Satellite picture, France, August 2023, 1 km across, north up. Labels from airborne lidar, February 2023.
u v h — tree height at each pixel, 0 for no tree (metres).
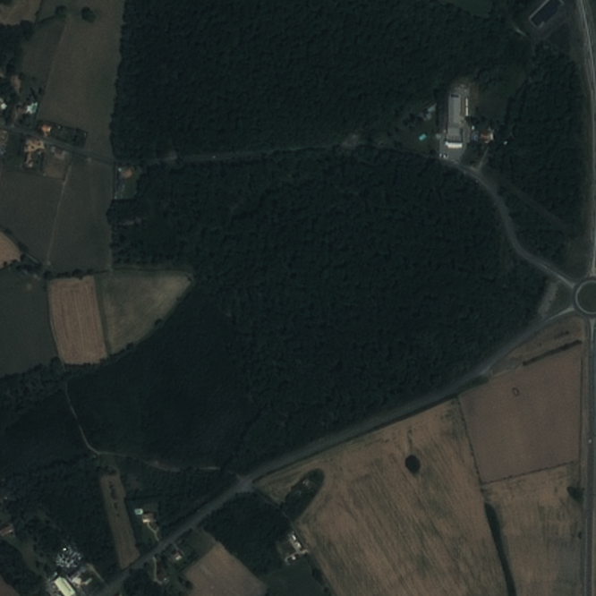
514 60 7
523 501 0
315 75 20
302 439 21
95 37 0
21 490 16
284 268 22
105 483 0
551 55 17
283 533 11
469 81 0
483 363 0
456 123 0
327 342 27
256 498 14
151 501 14
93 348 0
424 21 17
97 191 0
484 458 0
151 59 21
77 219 0
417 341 22
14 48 20
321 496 0
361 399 27
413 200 24
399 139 0
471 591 0
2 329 0
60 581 0
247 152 15
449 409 0
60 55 0
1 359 0
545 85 15
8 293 0
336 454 0
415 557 0
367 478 0
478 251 24
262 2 25
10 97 18
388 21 19
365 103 23
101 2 0
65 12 17
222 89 25
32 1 0
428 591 0
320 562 0
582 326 0
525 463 0
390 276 28
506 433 0
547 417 0
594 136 0
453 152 0
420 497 0
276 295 24
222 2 24
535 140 22
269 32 23
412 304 25
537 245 19
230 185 25
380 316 23
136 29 16
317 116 16
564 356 0
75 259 0
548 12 0
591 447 0
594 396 0
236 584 0
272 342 24
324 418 23
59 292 0
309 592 0
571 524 0
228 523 12
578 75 23
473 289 25
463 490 0
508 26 20
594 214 0
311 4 21
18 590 21
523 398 0
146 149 15
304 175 23
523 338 0
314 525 0
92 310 0
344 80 16
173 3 24
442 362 25
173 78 18
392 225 29
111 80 0
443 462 0
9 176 0
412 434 0
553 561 0
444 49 21
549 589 0
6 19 0
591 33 0
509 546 0
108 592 0
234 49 15
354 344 26
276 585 0
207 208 18
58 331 0
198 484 7
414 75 20
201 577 0
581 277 0
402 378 24
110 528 6
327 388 28
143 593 14
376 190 24
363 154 24
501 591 0
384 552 0
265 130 21
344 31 22
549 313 0
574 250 0
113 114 0
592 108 0
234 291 24
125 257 20
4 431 26
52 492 20
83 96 0
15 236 7
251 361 19
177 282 0
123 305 0
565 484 0
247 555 7
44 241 0
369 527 0
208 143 20
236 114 21
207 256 23
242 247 26
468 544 0
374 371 27
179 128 23
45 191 0
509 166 21
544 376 0
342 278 25
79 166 0
